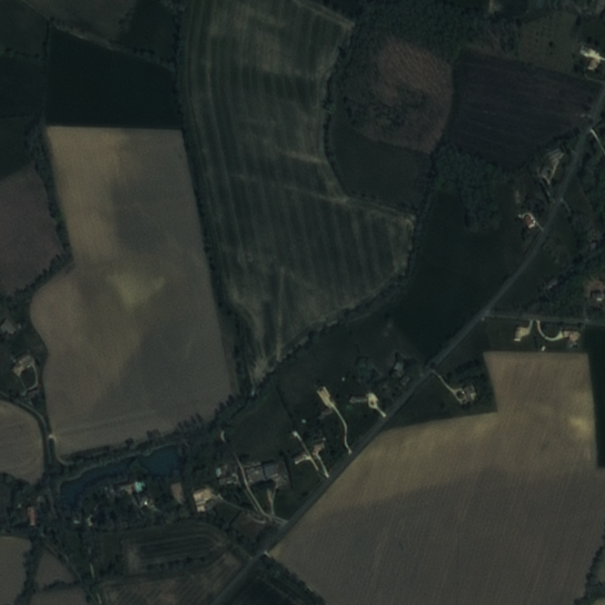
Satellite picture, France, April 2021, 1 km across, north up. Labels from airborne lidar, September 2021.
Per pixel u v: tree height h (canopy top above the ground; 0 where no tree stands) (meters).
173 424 0
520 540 0
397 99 11
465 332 0
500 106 0
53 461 0
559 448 0
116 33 0
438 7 21
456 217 0
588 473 0
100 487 16
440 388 0
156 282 0
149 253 0
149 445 9
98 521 10
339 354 0
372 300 0
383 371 0
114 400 0
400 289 9
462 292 0
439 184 24
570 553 0
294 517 0
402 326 0
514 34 21
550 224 0
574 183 0
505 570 0
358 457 0
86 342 0
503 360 0
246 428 0
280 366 12
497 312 10
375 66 12
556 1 13
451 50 22
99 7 0
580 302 22
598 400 0
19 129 0
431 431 0
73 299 0
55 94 0
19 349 0
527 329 0
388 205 0
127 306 0
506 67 0
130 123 0
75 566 18
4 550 0
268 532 12
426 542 0
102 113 0
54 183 20
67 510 13
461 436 0
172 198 0
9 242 0
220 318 0
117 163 0
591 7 15
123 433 0
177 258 0
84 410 0
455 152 23
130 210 0
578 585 0
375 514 0
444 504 0
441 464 0
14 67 0
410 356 0
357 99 13
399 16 23
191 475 17
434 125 16
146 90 0
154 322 0
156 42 0
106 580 17
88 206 0
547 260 0
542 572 0
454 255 0
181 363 0
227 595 0
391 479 0
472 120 0
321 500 0
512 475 0
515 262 0
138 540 0
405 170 0
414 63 20
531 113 0
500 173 21
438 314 0
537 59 0
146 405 0
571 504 0
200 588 0
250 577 0
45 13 0
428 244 0
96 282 0
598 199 20
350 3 0
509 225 0
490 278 0
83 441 0
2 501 0
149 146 0
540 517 0
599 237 0
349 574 0
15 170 0
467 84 0
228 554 0
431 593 0
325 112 14
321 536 0
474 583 0
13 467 0
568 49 0
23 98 0
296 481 0
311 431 9
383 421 0
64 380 0
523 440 0
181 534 0
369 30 12
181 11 15
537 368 0
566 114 0
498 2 0
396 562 0
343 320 9
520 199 0
